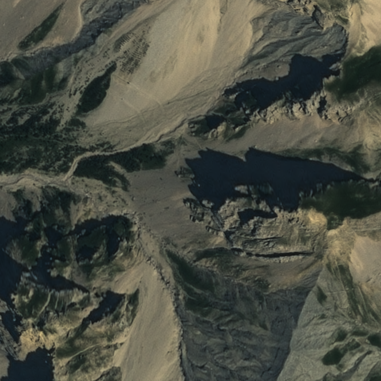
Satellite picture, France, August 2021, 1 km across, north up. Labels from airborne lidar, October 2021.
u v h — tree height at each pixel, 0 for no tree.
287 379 0
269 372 0
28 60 0
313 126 0
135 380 0
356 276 0
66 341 0
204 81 0
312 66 0
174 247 0
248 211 0
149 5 0
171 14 0
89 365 0
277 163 0
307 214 0
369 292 0
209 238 0
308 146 0
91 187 0
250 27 0
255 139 0
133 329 0
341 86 0
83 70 0
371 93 0
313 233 0
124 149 0
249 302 0
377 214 0
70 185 0
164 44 0
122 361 0
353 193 0
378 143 0
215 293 0
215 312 0
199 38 0
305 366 0
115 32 0
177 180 0
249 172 0
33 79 0
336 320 0
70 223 0
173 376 0
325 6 0
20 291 0
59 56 0
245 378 0
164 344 0
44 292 0
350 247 0
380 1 0
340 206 0
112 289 0
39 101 0
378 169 0
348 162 0
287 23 0
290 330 0
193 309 0
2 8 0
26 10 0
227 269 0
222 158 0
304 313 0
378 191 0
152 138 0
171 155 0
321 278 0
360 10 0
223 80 0
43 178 0
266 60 0
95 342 0
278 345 0
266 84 0
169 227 0
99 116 0
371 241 0
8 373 0
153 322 0
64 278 0
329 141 0
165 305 0
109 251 0
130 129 0
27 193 0
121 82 0
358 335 0
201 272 0
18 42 0
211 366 0
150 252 0
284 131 0
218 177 0
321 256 0
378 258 0
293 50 0
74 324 0
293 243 0
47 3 0
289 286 0
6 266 0
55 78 0
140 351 0
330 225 0
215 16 0
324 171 0
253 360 0
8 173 0
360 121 0
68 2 0
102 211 0
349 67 0
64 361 0
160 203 0
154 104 0
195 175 0
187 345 0
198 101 0
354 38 0
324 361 0
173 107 0
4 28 0
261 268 0
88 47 0
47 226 0
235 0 0
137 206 0
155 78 0
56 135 6
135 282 0
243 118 0
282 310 0
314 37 0
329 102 0
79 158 0
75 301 0
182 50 0
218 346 0
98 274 0
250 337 0
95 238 0
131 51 0
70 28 0
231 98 0
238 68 0
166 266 0
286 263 0
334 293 0
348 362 0
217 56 0
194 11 0
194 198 0
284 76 0
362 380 0
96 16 0
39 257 0
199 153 0
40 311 0
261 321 0
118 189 0
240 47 0
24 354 0
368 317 0
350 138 0
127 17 0
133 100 0
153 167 0
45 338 0
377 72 0
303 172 0
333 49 0
